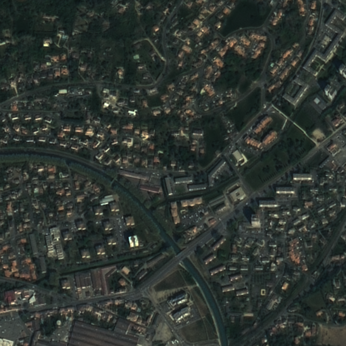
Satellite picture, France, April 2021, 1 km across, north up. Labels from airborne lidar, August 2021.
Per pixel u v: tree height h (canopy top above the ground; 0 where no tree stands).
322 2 0
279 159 17
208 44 14
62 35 0
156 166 14
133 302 6
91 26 10
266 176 0
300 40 9
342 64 0
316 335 0
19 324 0
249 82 0
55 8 16
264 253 0
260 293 0
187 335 0
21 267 0
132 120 7
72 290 0
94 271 0
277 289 6
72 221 0
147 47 0
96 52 9
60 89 11
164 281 0
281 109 9
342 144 0
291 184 7
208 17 0
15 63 16
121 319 0
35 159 31
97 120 0
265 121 0
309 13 0
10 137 7
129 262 6
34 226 0
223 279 12
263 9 19
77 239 10
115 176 29
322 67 0
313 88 0
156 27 0
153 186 0
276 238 14
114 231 11
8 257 0
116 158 0
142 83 9
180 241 29
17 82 10
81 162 0
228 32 0
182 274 0
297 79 0
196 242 0
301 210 0
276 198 0
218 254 10
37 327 0
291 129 0
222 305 13
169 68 14
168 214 0
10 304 0
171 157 16
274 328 0
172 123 16
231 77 15
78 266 9
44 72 8
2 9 11
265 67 14
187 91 8
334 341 0
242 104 0
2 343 0
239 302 7
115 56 0
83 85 8
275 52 7
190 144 13
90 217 10
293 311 13
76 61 19
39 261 17
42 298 0
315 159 0
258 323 12
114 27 11
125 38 9
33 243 0
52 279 31
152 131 0
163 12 10
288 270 10
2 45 0
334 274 8
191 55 9
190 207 10
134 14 8
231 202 0
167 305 0
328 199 0
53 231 0
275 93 14
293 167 0
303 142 14
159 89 11
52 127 0
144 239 0
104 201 0
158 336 0
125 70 8
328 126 7
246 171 15
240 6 0
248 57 10
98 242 0
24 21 0
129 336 0
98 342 0
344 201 0
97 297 0
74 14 7
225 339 0
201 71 0
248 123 0
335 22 14
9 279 0
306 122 0
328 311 0
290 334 6
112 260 13
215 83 7
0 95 6
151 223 34
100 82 0
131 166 0
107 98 0
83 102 16
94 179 24
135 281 10
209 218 0
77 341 0
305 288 0
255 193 0
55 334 0
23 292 0
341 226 0
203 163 0
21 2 7
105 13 8
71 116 0
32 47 15
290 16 20
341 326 0
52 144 8
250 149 0
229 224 11
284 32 10
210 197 0
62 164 26
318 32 10
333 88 0
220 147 11
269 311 9
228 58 18
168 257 13
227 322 8
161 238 0
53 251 0
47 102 8
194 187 0
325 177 6
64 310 0
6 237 0
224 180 16
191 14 0
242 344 13
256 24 0
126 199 32
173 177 16
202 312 0
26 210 6
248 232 0
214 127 14
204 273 0
